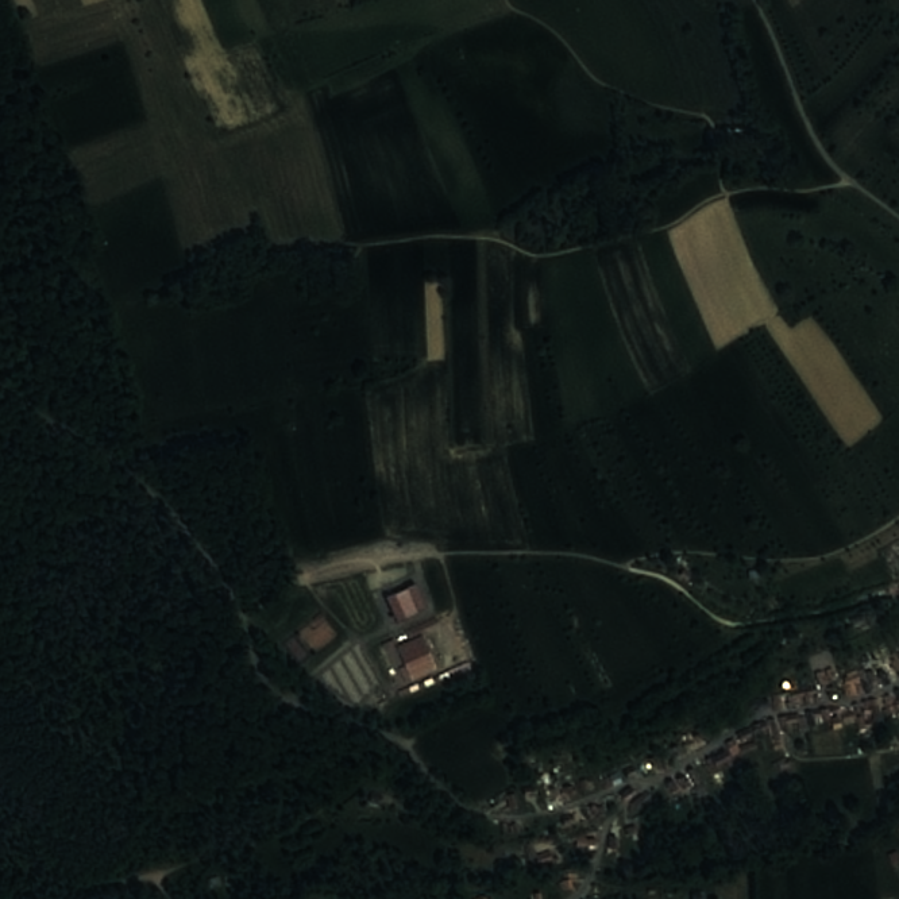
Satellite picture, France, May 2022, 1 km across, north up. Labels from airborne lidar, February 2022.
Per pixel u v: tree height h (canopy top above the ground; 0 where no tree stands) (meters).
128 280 0
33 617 30
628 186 15
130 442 28
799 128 0
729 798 20
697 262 0
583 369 0
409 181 0
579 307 0
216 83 0
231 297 20
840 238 0
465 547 0
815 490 0
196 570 32
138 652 35
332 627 0
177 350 0
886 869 0
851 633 6
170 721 32
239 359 0
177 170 0
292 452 0
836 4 0
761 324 0
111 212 0
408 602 0
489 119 0
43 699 13
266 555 13
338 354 0
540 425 0
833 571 0
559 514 0
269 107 0
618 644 0
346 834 0
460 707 17
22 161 30
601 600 0
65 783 16
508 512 0
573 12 0
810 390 0
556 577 0
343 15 0
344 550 0
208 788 33
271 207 0
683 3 0
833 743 0
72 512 29
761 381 0
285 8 0
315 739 32
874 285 0
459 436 0
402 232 0
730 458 0
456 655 0
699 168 16
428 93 0
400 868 21
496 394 0
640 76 0
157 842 10
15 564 27
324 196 0
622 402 0
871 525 0
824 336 0
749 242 0
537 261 0
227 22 0
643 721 8
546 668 0
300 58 0
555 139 0
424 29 0
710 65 0
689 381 0
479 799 0
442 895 15
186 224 0
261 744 33
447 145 0
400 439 0
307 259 29
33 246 13
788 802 16
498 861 0
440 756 0
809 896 0
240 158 0
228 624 27
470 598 0
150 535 26
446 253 0
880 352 0
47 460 26
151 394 0
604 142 0
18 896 27
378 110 0
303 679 27
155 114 0
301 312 0
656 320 0
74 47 0
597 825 0
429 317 0
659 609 0
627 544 0
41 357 29
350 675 0
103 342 17
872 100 6
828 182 0
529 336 0
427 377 0
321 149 0
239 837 30
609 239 20
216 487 29
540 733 27
